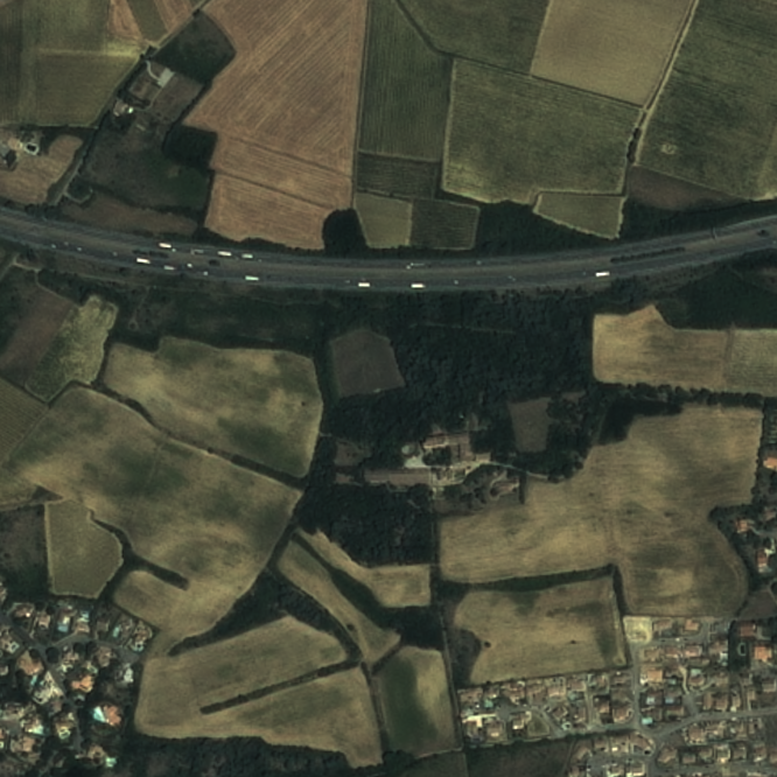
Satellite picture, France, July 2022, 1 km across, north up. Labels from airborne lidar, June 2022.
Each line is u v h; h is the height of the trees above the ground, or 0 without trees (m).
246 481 0
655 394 15
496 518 0
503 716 0
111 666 7
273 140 0
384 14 0
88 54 0
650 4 0
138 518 0
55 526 0
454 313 9
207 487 0
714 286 5
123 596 0
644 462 0
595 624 0
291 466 0
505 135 0
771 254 9
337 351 0
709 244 0
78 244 0
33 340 0
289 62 0
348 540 9
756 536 10
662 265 0
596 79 0
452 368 6
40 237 0
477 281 0
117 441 0
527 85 0
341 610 0
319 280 0
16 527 0
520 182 0
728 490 0
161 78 0
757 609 0
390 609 6
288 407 0
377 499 8
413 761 6
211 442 0
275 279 0
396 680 0
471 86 0
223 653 0
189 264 0
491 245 15
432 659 0
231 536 0
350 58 0
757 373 0
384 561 20
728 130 0
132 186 0
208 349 0
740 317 7
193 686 0
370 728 0
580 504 0
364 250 8
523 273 0
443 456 10
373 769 11
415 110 0
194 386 0
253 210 0
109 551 0
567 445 9
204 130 0
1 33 0
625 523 0
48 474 0
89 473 0
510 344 9
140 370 0
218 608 0
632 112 0
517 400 8
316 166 0
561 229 8
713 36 0
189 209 7
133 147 0
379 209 0
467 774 0
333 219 14
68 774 11
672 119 0
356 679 0
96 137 9
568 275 0
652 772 0
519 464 10
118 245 0
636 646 0
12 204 13
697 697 0
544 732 0
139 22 0
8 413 0
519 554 0
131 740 7
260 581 8
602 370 0
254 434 0
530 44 0
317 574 0
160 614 0
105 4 0
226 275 0
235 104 0
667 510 0
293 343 6
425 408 11
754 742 0
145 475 0
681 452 0
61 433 0
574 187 0
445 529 0
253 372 0
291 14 0
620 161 0
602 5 0
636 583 0
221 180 0
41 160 0
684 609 0
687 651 0
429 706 0
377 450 9
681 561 0
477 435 10
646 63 0
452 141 0
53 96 0
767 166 0
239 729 0
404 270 0
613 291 8
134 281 0
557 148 0
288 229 0
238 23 0
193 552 0
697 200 0
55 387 0
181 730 0
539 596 0
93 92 0
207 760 19
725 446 0
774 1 0
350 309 9
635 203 7
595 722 0
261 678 0
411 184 0
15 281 0
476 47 0
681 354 0
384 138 0
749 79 0
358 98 0
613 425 6
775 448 13
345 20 0
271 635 0
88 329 0
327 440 8
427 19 0
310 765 17
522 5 0
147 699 0
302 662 0
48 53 0
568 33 0
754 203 10
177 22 0
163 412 0
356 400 8
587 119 0
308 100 0
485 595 0
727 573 0
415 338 7
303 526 6
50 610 10
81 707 11
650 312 0
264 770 7
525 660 0
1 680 10
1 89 0
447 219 0
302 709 0
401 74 0
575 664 0
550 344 10
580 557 0
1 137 0
